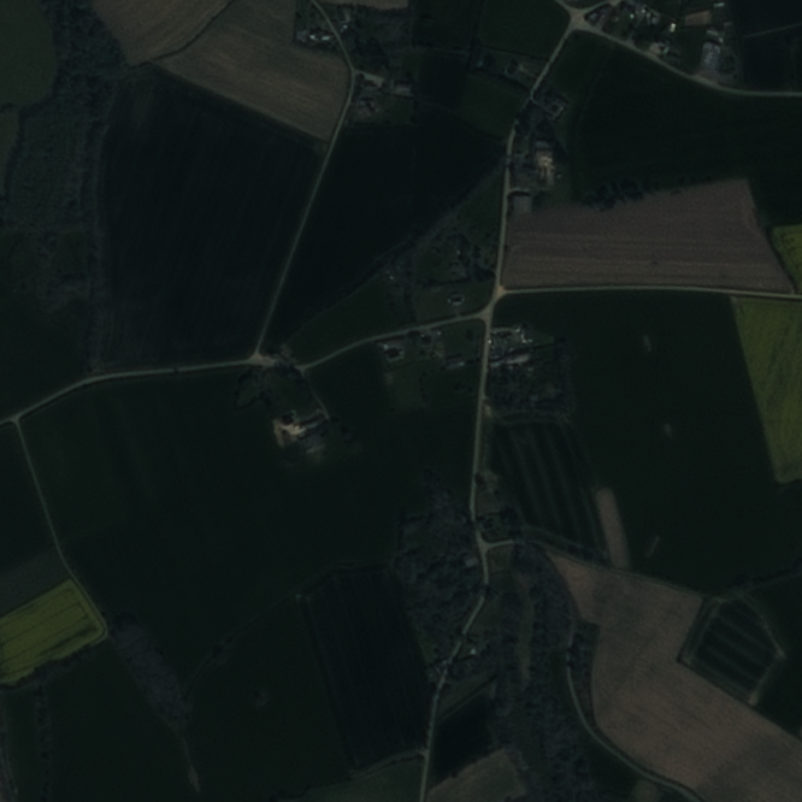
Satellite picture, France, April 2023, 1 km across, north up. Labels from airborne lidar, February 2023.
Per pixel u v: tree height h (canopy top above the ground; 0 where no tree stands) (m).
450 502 10
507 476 0
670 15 0
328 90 0
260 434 0
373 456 0
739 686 0
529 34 0
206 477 0
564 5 0
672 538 0
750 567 0
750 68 0
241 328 0
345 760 0
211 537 0
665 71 0
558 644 20
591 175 0
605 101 0
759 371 0
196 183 0
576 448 0
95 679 0
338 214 0
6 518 0
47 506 0
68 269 0
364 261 0
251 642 0
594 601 0
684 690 0
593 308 0
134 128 0
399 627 0
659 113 0
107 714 0
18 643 0
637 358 0
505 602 10
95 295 10
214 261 0
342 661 0
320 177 0
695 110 0
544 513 0
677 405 0
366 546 0
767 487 0
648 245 0
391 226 0
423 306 0
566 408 13
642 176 0
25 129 17
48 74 0
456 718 0
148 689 19
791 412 0
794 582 0
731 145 0
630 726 0
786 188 0
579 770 14
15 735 0
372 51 19
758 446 0
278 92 0
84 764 0
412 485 0
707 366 0
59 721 0
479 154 0
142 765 0
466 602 13
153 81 0
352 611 0
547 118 12
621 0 0
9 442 0
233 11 0
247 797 0
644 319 0
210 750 0
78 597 0
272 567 0
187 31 0
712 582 0
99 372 0
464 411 0
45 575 0
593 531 0
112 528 0
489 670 8
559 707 9
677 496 0
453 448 0
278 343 0
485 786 0
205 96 0
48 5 13
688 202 0
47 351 0
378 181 0
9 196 17
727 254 0
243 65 0
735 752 0
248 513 0
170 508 0
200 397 0
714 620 0
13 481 0
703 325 0
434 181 0
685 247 0
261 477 0
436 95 0
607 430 0
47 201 16
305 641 0
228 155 0
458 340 0
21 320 0
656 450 0
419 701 0
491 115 0
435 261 0
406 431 0
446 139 0
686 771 0
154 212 0
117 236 0
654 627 0
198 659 0
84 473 0
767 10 0
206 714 0
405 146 0
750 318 0
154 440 0
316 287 0
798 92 0
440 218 16
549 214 0
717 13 0
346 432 13
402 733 0
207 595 0
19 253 0
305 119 0
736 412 0
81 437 0
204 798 0
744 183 0
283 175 0
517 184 0
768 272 0
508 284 0
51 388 0
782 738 0
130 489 0
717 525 0
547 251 0
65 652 0
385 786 0
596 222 0
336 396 0
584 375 0
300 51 0
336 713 0
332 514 0
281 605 0
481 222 0
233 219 0
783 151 0
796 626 0
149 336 0
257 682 0
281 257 0
